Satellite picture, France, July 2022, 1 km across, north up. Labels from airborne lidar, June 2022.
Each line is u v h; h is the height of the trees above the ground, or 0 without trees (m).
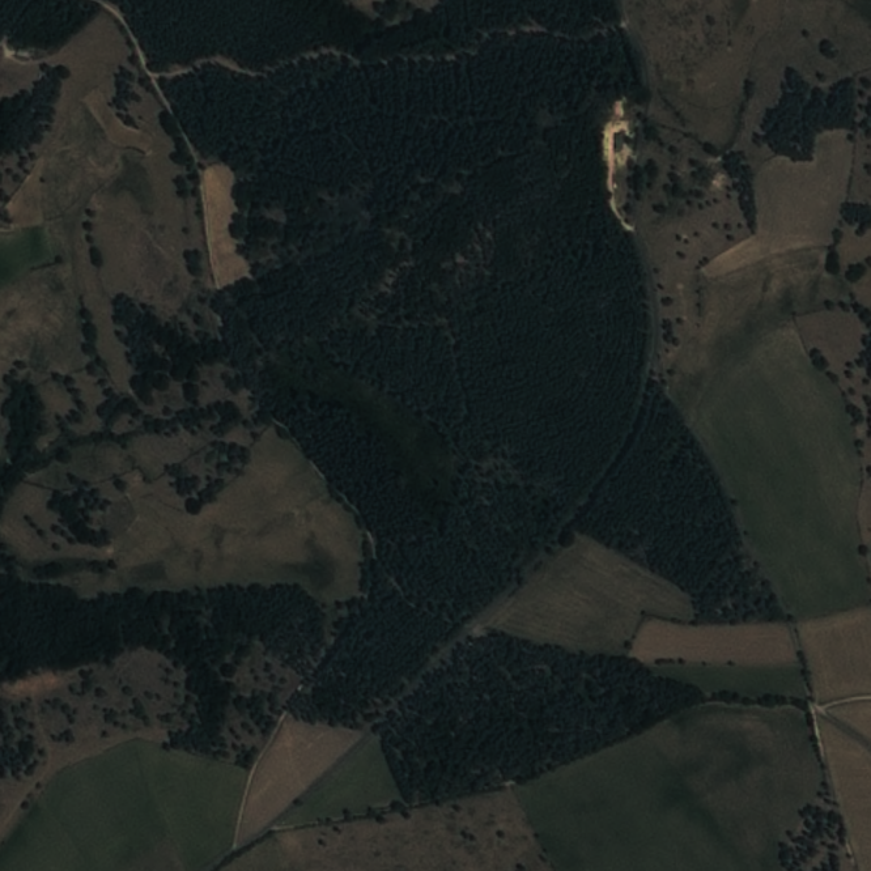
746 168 15
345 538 0
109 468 0
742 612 9
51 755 0
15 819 0
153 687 0
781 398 0
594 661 14
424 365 21
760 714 0
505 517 15
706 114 0
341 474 23
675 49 0
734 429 0
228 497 0
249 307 19
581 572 0
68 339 0
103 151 0
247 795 0
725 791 0
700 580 22
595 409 21
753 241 0
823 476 0
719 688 0
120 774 0
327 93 23
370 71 22
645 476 20
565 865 0
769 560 0
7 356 0
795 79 19
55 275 0
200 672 17
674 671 0
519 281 5
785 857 18
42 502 0
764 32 0
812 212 0
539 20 23
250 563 0
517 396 22
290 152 19
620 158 0
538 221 9
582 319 20
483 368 19
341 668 22
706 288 0
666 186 10
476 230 16
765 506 0
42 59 0
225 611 18
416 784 13
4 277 0
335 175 18
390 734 17
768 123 17
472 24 16
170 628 9
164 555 0
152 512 0
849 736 0
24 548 0
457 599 18
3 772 14
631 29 0
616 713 22
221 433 11
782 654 0
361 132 19
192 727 14
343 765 0
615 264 21
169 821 0
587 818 0
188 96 23
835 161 0
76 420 17
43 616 17
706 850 0
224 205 0
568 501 22
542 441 20
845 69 0
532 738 15
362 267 18
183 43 18
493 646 23
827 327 0
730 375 0
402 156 22
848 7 0
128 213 0
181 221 0
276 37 19
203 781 0
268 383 16
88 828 0
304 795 0
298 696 13
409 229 14
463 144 24
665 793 0
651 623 0
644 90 18
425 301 16
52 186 0
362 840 0
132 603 14
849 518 0
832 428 0
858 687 0
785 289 0
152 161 0
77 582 0
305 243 14
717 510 19
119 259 0
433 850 0
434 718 13
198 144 23
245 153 26
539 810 0
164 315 0
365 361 19
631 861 0
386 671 18
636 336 19
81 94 0
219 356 18
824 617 0
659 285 8
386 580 11
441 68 23
